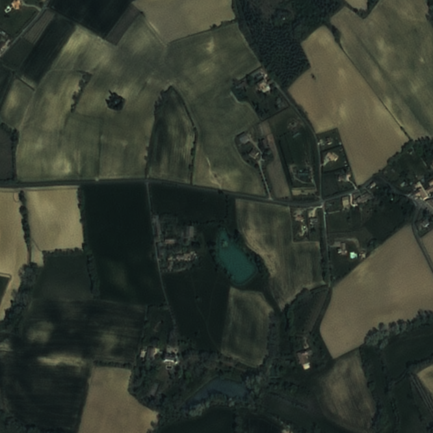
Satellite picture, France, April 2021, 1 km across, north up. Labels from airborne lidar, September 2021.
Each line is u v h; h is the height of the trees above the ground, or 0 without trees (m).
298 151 0
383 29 0
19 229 0
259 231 0
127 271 0
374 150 0
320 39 0
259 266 19
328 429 0
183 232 16
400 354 0
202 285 0
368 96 0
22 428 17
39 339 0
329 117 0
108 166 0
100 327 0
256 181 0
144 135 0
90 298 0
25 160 0
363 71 0
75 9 0
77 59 0
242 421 10
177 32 0
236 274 0
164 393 7
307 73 0
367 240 0
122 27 0
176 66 0
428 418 0
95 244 0
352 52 0
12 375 0
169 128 0
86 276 0
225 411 0
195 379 23
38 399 0
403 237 0
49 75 0
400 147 0
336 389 0
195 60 0
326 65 0
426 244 0
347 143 0
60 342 0
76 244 0
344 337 0
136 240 0
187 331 0
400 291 0
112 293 0
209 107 0
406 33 0
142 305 0
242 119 0
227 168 0
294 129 0
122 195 0
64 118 0
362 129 0
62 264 0
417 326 18
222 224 5
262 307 0
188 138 0
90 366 0
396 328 20
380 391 0
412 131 0
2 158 0
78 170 0
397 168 10
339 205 0
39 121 0
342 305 0
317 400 0
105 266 0
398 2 0
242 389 0
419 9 0
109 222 0
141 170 0
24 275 21
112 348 0
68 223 0
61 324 0
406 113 0
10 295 0
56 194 0
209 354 13
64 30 0
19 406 0
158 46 0
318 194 7
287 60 10
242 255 0
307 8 6
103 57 0
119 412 0
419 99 0
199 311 0
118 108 14
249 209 0
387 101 0
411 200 7
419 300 0
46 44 0
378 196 13
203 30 0
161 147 0
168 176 0
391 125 0
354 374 0
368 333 0
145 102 0
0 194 0
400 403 0
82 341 0
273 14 0
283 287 0
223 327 0
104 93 0
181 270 16
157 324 0
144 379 16
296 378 0
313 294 10
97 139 0
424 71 0
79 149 0
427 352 0
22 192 7
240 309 0
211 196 0
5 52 0
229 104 0
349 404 0
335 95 0
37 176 0
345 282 0
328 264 15
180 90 0
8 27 0
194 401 0
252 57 0
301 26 20
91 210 0
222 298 0
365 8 0
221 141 0
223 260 0
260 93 12
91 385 0
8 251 0
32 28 0
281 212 0
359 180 0
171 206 0
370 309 0
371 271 0
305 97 0
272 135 0
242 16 7
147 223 0
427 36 0
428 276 0
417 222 9
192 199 0
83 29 0
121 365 12
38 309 0
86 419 0
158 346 21
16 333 8
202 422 0
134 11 0
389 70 0
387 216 0
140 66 0
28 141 0
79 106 0
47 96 0
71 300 0
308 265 0
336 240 0
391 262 0
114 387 0
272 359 18
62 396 0
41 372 0
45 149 0
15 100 0
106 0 0
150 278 0
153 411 11
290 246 0
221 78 0
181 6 0
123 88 0
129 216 0
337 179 9
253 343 0
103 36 0
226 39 0
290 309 19
